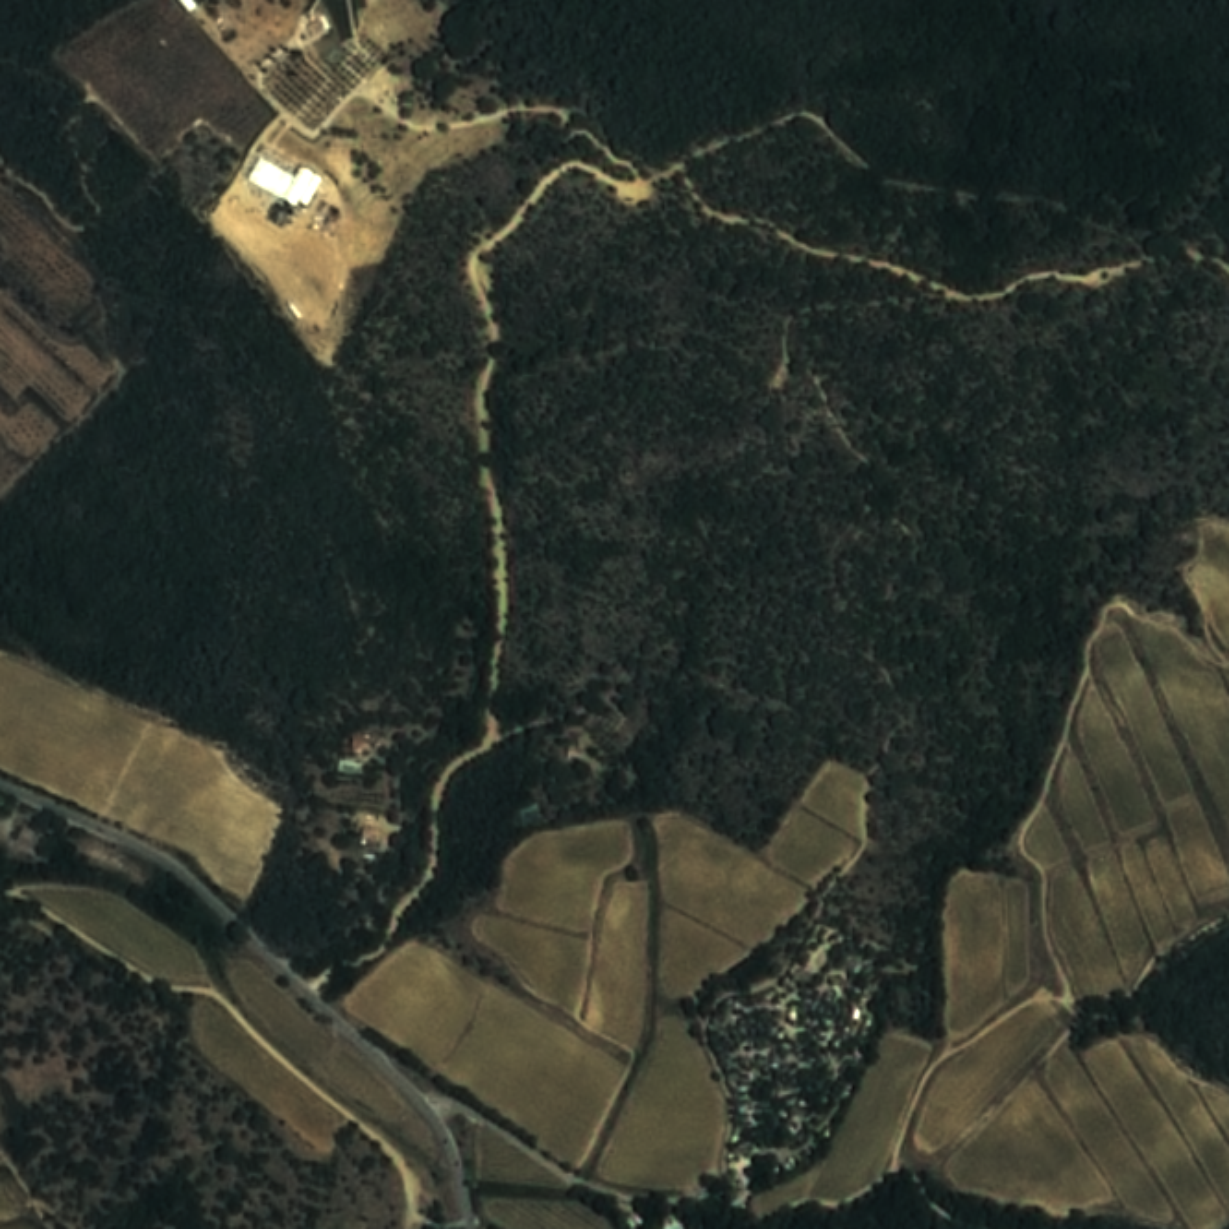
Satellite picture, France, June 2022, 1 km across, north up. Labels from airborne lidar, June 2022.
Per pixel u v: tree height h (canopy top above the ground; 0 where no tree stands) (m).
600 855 0
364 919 10
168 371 9
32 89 6
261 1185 8
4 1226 0
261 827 0
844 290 6
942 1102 0
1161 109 16
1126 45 6
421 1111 0
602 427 6
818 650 9
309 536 7
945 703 7
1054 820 0
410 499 8
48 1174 11
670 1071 0
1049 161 10
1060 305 13
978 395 9
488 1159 0
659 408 7
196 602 6
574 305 9
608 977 0
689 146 11
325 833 10
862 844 0
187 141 6
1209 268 8
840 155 6
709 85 9
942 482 7
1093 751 0
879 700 7
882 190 11
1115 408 11
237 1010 0
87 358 0
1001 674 9
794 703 9
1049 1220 6
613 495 6
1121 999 13
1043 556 9
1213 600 0
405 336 8
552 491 8
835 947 6
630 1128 0
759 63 9
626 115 7
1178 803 0
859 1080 10
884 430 8
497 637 10
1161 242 13
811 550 8
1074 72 15
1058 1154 0
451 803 7
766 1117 10
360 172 7
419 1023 0
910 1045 0
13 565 9
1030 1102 0
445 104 10
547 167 8
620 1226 13
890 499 12
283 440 7
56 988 8
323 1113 0
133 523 9
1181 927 0
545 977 0
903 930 8
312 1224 9
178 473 10
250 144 0
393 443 12
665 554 8
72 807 7
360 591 6
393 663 7
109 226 10
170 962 0
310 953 7
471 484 8
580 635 7
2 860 18
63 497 7
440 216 6
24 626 10
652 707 9
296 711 10
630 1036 0
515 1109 0
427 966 0
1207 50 8
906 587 10
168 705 9
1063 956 0
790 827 0
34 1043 11
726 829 9
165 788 0
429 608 9
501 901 0
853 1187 0
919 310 10
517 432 9
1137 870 0
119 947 0
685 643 7
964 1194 10
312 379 7
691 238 9
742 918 0
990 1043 0
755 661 10
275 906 14
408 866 10
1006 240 9
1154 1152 0
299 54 11
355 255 0
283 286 0
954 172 12
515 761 6
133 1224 10
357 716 9
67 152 10
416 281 10
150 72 0
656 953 0
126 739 0
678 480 9
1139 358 11
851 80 8
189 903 8
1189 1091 0
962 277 9
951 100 12
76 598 9
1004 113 16
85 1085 12
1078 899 0
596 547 9
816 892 8
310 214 0
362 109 0
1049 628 8
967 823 11
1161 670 0
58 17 10
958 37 9
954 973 0
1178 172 11
